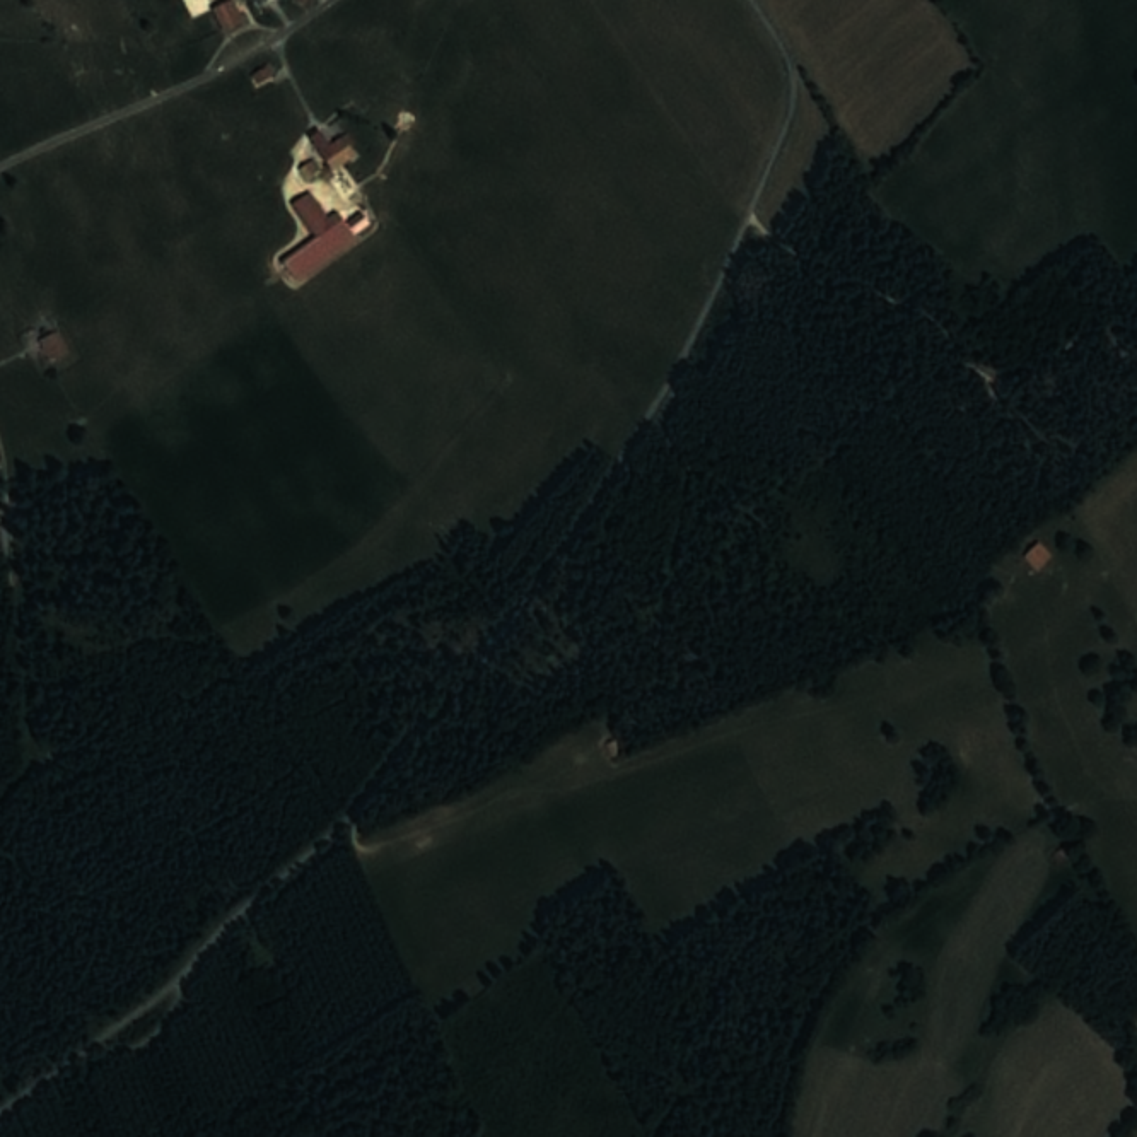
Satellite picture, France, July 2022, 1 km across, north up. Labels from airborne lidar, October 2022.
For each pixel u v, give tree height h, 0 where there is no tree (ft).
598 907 115
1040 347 28
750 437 75
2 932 81
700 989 36
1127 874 0
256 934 40
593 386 0
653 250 0
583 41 0
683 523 30
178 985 0
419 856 0
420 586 38
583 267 0
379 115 0
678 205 0
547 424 0
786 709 0
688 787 0
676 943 91
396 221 0
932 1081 0
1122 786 0
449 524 0
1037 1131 0
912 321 77
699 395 62
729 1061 20
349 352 0
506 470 0
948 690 0
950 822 0
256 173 0
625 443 0
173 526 0
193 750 60
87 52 0
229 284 0
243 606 0
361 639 40
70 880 88
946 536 52
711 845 0
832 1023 0
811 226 61
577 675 77
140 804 80
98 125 0
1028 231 0
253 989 53
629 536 26
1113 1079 0
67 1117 52
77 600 127
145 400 0
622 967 69
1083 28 0
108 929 90
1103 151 0
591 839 0
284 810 41
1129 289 52
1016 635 0
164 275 0
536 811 0
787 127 0
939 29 0
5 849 72
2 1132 47
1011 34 0
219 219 0
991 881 0
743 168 0
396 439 0
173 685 52
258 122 0
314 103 0
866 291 66
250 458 0
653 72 0
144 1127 54
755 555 57
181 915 56
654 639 73
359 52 0
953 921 0
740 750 0
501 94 0
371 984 56
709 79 0
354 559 0
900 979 28
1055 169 0
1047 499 74
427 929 0
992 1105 0
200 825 75
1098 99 0
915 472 44
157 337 0
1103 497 0
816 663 69
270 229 0
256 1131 63
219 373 0
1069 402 61
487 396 0
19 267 0
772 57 0
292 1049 52
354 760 51
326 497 0
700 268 0
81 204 0
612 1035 50
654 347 0
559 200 0
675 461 59
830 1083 0
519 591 64
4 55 0
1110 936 53
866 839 41
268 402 0
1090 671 45
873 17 0
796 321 0
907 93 0
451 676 109
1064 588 0
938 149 0
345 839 48
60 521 133
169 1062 48
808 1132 0
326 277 0
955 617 54
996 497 59
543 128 0
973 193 0
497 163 0
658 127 0
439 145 0
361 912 59
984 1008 0
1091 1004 61
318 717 57
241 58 0
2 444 0
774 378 81
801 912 102
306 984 66
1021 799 0
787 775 0
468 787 54
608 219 0
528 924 0
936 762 35
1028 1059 0
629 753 43
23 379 0
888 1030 0
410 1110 73
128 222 0
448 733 67
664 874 0
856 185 83
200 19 0
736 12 0
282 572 0
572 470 0
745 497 91
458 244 0
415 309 0
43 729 95
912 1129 0
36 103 0
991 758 0
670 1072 46
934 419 64
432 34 0
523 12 0
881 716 0
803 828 0
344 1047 84
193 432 0
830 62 0
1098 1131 0
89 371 0
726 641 50
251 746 51
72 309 0
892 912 55
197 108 0
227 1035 58
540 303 0
